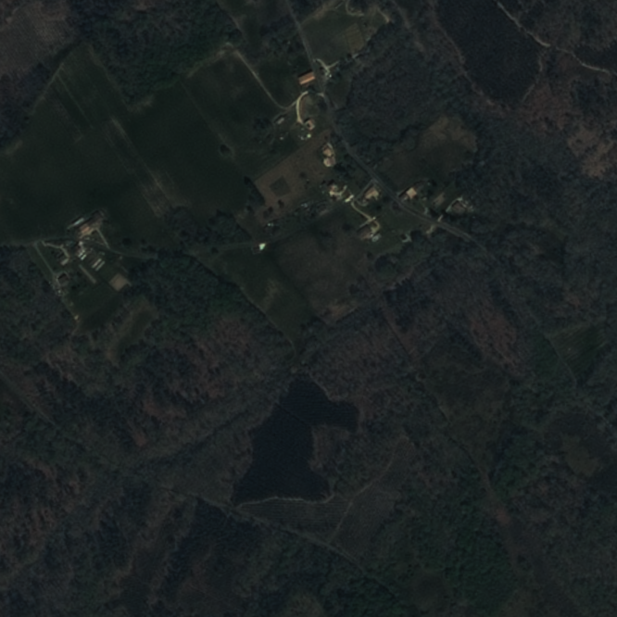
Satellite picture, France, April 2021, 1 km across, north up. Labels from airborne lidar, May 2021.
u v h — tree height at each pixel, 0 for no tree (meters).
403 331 18
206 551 13
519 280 15
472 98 12
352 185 0
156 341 19
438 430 15
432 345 11
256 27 0
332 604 20
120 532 24
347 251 0
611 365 23
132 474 18
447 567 10
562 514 10
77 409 25
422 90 18
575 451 0
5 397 0
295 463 9
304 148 0
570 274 17
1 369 11
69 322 9
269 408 15
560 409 8
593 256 13
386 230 0
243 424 17
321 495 8
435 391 0
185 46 19
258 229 0
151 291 25
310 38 0
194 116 0
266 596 14
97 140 0
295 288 0
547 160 22
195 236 7
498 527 12
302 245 0
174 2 11
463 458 10
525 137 21
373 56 16
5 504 10
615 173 14
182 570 20
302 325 0
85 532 6
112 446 16
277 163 0
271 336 21
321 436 6
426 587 0
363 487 11
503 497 19
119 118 0
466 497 11
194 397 20
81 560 10
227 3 0
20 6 13
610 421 11
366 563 12
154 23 6
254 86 0
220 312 12
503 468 22
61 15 0
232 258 0
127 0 22
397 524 16
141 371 12
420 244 24
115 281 0
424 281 15
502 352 6
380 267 6
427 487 12
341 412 10
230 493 10
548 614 0
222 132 0
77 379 12
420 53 16
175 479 16
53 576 20
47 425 11
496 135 18
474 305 10
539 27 7
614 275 24
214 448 15
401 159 0
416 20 0
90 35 22
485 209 20
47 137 0
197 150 0
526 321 18
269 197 0
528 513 9
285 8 0
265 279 0
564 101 9
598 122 6
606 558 8
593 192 16
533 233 15
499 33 11
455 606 6
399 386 12
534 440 17
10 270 17
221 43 24
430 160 0
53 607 13
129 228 0
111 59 12
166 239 0
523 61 9
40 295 12
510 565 17
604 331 0
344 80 12
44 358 10
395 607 24
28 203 0
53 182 0
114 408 19
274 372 9
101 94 0
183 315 18
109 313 0
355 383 15
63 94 0
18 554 6
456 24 9
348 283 0
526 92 9
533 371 15
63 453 21
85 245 0
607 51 10
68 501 27
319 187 0
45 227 0
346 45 0
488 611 14
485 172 22
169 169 0
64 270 0
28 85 14
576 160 8
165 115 0
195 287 21
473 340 13
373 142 10
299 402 12
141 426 21
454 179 6
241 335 8
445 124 0
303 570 13
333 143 6
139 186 0
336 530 13
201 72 0
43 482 27
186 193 0
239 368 22
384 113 16
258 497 10
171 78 10
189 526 15
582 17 14
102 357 18
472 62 11
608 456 0
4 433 10
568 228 16
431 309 14
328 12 0
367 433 12
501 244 14
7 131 12
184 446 7
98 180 0
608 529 11
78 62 0
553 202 23
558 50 10
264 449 9
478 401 0
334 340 12
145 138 0
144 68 9
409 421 15
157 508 11
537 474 19
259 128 15
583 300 17
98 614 22
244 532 17
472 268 16
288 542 16
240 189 0
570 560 16
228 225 17
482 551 19
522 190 24
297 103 0
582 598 19
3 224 0
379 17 0
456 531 17
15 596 12
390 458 7
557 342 0
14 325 14
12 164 0
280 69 0
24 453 14
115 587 16
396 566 8
